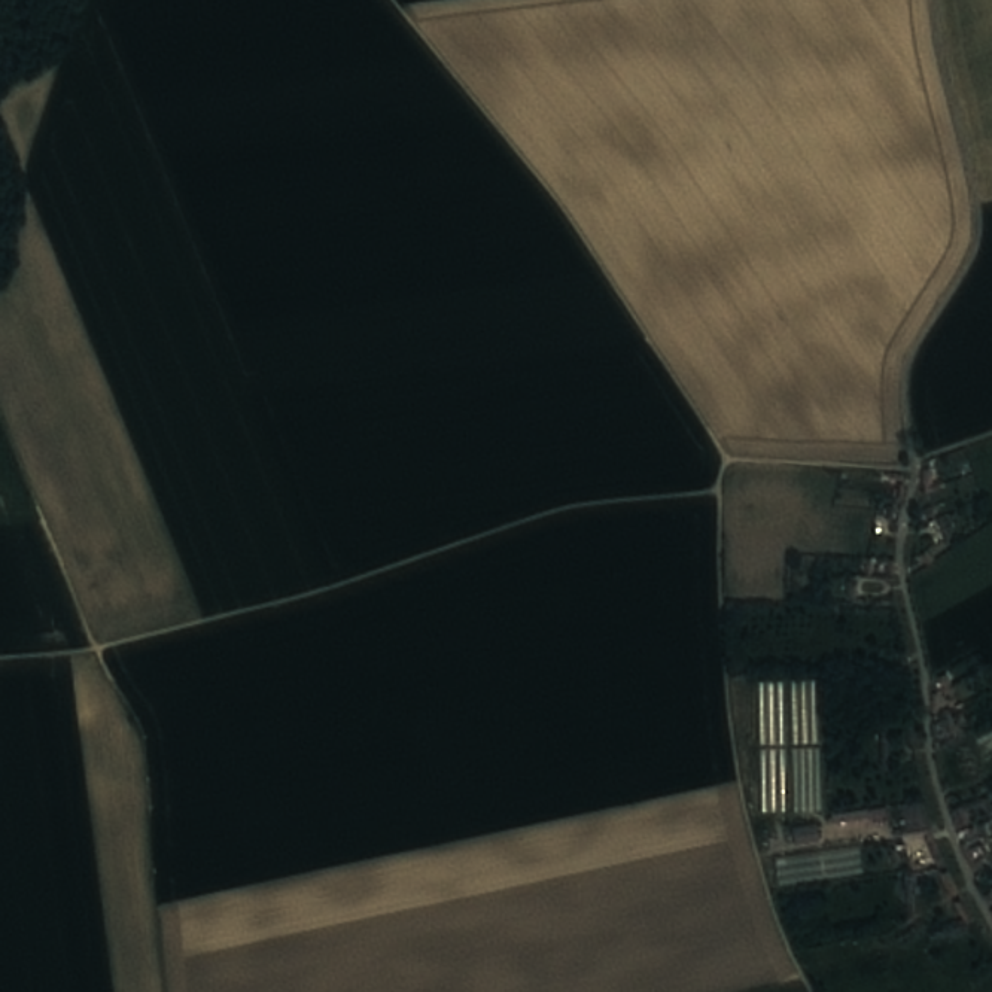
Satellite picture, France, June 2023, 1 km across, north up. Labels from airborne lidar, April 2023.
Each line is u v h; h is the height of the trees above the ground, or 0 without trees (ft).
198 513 0
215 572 0
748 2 0
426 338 0
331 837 0
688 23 0
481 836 0
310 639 0
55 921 0
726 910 0
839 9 0
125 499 0
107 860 0
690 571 0
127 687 0
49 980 0
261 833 0
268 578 0
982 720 18
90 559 0
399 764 0
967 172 0
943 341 0
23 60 52
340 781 0
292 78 0
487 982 0
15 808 0
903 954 0
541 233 0
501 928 0
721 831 0
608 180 0
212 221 0
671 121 0
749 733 0
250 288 0
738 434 0
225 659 0
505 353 0
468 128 0
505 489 0
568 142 0
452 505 0
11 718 0
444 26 0
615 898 0
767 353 0
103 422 0
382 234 0
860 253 0
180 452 0
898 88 0
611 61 0
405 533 0
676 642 0
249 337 0
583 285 0
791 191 0
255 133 0
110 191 0
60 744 0
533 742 0
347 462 0
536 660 0
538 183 0
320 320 0
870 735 52
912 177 0
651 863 0
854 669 42
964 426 0
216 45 0
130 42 0
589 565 0
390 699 0
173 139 0
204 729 0
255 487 0
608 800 0
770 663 53
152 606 0
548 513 0
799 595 22
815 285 0
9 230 54
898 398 0
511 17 0
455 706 0
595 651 0
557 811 0
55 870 0
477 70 0
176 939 0
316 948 0
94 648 0
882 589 0
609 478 0
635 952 0
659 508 0
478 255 0
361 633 0
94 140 0
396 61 0
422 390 0
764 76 0
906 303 0
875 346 0
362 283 0
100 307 0
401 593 0
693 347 0
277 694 0
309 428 0
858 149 0
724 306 0
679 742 0
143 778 0
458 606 0
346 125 0
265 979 0
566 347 0
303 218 0
